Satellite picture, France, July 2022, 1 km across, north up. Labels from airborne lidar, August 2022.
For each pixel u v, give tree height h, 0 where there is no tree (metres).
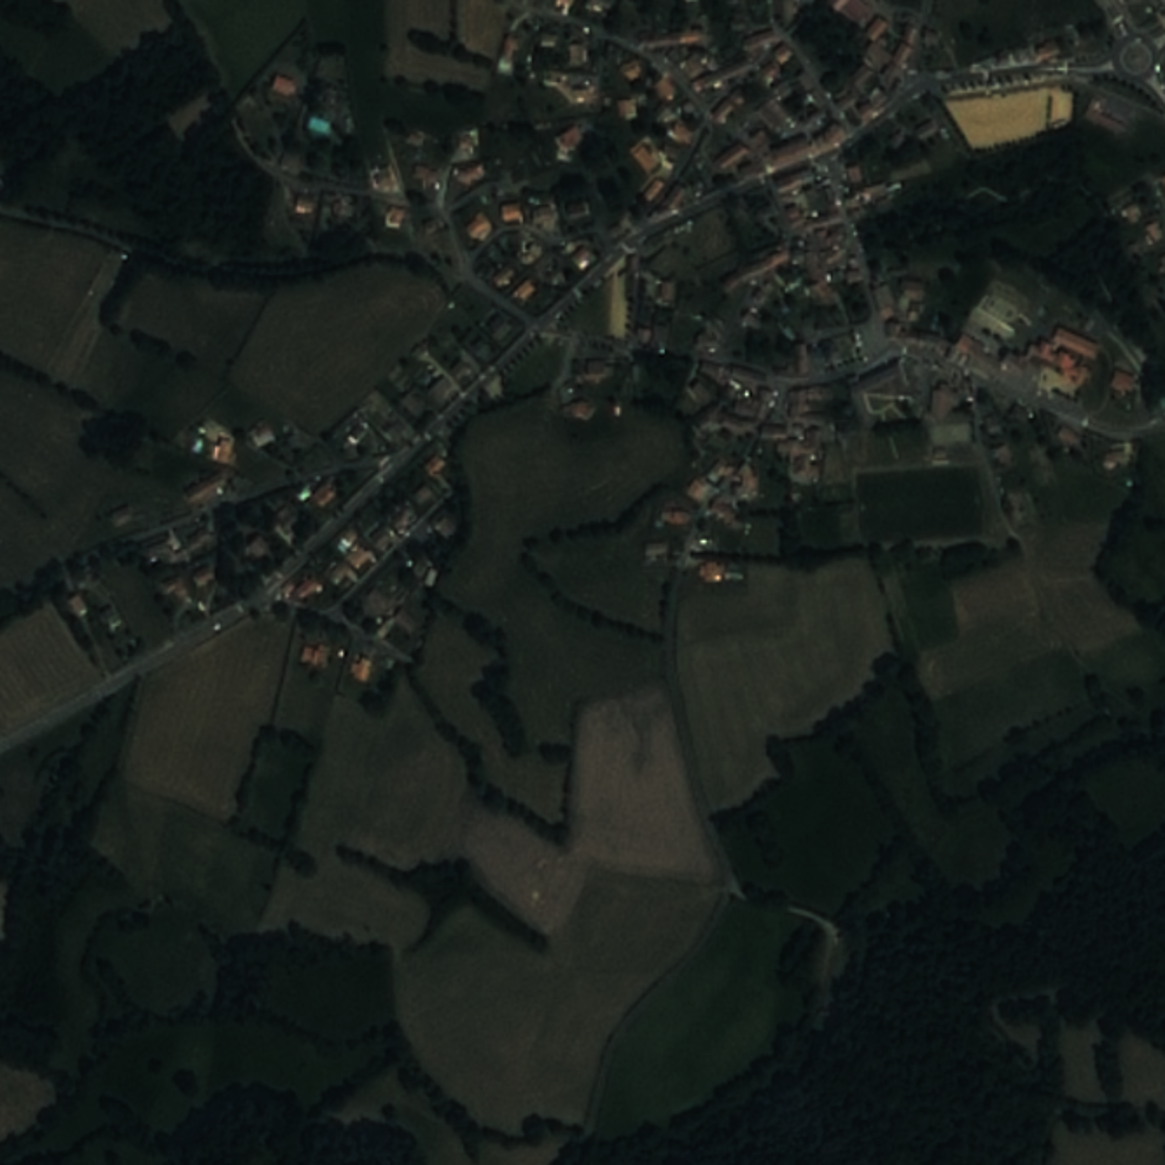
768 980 0
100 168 10
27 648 0
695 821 0
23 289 0
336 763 0
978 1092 20
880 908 0
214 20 0
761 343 16
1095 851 20
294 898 0
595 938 0
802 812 0
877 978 23
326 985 0
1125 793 0
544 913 0
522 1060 0
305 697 0
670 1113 0
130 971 0
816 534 0
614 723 0
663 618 8
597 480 0
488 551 0
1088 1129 20
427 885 8
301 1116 26
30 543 0
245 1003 26
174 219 22
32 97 15
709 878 0
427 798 0
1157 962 11
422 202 12
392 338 0
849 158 11
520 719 14
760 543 0
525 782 0
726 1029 0
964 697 0
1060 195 10
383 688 12
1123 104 0
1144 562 0
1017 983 18
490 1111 0
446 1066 0
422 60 0
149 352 14
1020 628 0
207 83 18
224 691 0
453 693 0
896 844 8
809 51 0
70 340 0
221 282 16
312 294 0
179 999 0
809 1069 22
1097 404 0
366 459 9
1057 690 0
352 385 0
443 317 0
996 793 23
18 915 22
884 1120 26
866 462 0
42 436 0
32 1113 0
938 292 0
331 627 16
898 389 0
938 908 22
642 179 0
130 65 17
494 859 0
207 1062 0
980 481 0
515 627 0
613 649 0
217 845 0
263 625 0
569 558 0
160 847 0
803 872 0
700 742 0
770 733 0
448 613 13
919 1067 15
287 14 0
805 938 13
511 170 0
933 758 20
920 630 0
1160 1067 0
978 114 0
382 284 0
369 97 0
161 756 0
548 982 0
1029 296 0
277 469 0
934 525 0
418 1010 0
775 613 0
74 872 21
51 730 0
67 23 13
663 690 0
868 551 9
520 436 0
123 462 28
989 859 0
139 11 0
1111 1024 19
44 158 16
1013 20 0
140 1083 0
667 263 0
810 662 0
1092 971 18
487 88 0
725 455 0
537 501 0
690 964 0
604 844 0
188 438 0
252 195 7
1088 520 0
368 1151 22
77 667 0
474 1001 0
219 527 7
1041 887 0
